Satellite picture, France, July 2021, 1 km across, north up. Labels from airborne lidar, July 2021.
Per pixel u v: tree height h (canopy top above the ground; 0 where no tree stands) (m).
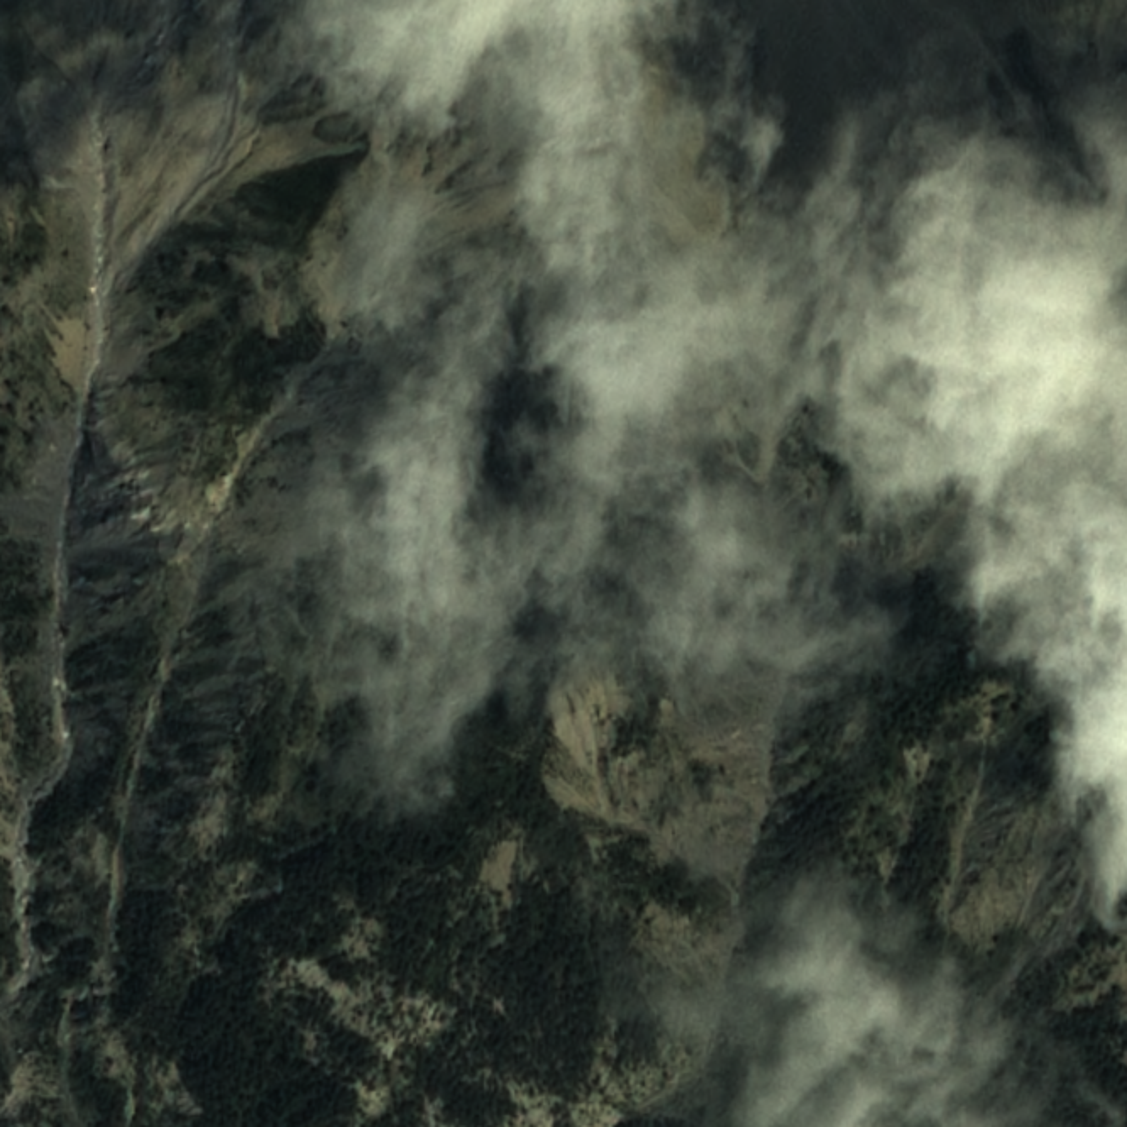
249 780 11
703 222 0
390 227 0
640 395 0
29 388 0
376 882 13
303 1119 9
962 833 0
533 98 0
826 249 0
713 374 0
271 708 8
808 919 24
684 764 0
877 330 0
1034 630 11
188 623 0
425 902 9
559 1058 6
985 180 0
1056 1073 8
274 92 0
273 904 10
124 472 0
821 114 0
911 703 15
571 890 11
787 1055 0
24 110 0
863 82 0
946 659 18
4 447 10
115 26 0
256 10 0
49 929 12
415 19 0
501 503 8
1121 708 6
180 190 0
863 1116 0
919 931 7
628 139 0
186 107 0
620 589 6
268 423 0
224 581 0
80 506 0
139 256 0
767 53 0
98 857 0
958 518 0
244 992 6
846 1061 0
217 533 0
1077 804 0
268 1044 15
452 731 8
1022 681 12
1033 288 6
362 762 14
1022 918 0
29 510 0
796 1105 0
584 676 0
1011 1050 6
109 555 0
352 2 0
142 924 7
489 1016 10
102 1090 7
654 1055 6
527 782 7
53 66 0
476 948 9
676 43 0
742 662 0
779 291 0
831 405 0
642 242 0
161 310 0
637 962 15
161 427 0
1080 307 0
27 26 0
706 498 5
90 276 0
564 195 0
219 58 0
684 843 0
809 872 9
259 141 0
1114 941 11
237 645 0
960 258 0
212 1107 13
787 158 0
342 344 0
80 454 0
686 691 0
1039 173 0
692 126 0
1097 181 0
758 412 0
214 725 0
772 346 0
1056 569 0
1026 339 0
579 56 0
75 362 0
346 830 12
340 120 0
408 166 0
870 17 0
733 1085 9
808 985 0
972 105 0
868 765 6
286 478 0
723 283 0
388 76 0
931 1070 7
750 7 0
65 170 0
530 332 6
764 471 0
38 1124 6
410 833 11
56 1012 8
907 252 6
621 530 9
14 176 0
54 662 0
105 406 0
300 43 0
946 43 0
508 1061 9
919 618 17
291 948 7
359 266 0
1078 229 0
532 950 11
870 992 7
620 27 0
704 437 0
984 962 0
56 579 0
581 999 14
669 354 0
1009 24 0
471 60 0
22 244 0
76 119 0
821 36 0
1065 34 0
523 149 0
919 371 5
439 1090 9
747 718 0
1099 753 10
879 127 0
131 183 0
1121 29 0
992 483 0
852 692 8
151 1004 8
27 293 0
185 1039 7
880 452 7
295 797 0
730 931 0
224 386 0
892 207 0
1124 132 0
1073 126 0
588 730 0
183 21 0
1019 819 0
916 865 9
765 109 0
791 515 0
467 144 0
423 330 7
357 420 6
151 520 0
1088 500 0
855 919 15
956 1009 8
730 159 0
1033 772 7
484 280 0
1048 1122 16
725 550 0
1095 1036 11
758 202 0
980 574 9
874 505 8
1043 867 0
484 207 0
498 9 0
